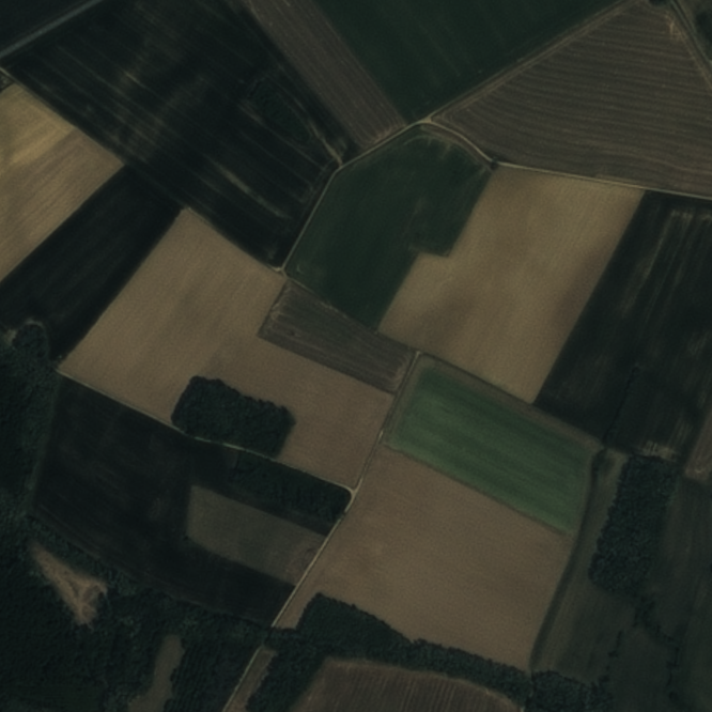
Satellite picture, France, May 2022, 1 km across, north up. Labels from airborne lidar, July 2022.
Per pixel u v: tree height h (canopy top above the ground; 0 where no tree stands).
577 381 0
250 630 19
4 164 0
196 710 9
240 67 0
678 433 0
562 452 0
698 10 0
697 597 0
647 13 0
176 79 0
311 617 15
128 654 22
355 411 0
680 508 0
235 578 0
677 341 0
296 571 0
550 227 0
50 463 0
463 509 0
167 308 0
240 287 0
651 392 0
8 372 21
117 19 0
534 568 0
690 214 0
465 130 0
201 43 0
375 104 0
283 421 16
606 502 0
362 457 0
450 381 0
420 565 0
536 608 0
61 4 0
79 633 19
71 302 0
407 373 0
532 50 0
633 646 0
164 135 0
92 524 0
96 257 0
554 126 0
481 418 0
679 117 0
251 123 0
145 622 21
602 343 0
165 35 0
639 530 25
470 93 0
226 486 0
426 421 0
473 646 0
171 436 0
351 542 0
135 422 0
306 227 0
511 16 0
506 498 0
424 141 0
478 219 0
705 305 0
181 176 0
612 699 18
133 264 0
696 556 0
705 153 0
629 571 25
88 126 0
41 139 0
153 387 0
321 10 0
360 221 0
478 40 0
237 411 21
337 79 0
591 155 0
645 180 0
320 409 0
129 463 0
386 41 0
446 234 0
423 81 0
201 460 0
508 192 0
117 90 0
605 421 0
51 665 18
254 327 0
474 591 0
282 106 11
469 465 0
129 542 0
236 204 0
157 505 0
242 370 0
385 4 0
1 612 18
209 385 23
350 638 19
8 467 16
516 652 0
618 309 0
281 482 7
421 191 0
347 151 0
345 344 0
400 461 0
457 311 0
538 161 0
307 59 0
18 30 0
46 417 21
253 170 0
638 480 23
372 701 0
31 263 0
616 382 0
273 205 0
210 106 0
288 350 0
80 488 0
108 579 26
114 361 0
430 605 0
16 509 24
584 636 0
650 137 0
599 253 0
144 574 0
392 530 0
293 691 17
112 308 0
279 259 0
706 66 0
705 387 0
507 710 0
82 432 0
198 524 0
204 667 16
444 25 0
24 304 0
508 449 0
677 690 0
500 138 0
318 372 0
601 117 0
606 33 0
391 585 0
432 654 24
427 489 0
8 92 0
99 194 0
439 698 0
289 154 0
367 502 0
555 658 0
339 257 0
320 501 21
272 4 0
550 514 0
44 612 17
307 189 0
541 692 20
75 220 0
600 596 0
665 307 0
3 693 13
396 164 0
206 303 0
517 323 0
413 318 0
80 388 0
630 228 0
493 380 0
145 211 0
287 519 0
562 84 0
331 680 0
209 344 0
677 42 0
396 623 0
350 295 0
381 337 0
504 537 0
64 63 0
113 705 24
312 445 0
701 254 0
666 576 0
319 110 0
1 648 19
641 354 0
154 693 0
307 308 0
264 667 0
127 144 0
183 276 0
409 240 0
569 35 0
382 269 0
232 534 0
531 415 0
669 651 0
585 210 0
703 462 0
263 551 0
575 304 0
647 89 0
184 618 24
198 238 0
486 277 0
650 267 0
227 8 0
